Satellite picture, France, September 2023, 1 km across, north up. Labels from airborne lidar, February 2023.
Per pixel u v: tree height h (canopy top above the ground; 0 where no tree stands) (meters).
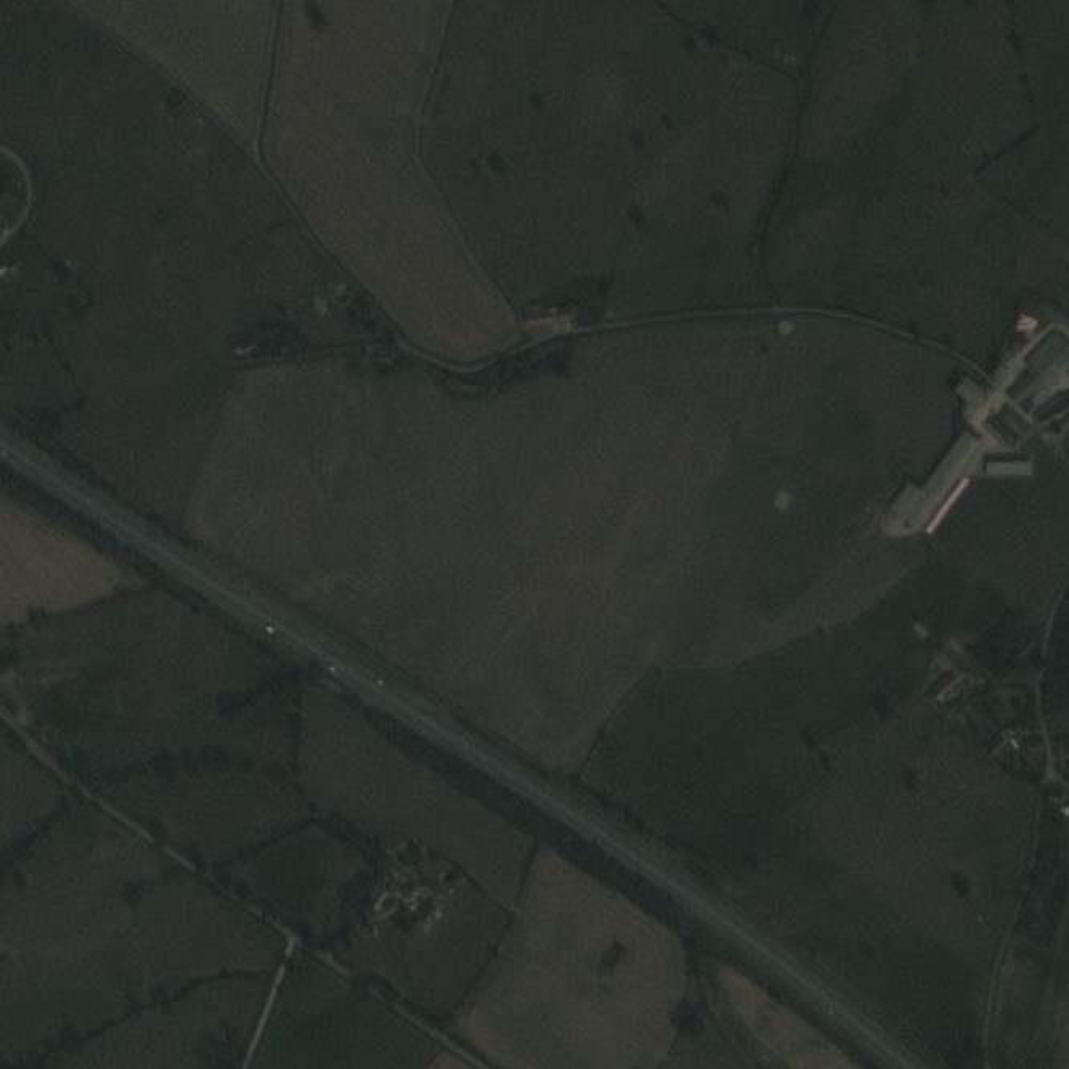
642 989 0
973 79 0
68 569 0
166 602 0
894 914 0
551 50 0
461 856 0
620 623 0
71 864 0
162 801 0
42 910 0
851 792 0
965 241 0
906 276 0
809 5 10
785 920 0
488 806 11
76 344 0
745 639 0
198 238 0
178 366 0
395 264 0
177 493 0
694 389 0
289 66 0
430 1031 0
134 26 0
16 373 0
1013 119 0
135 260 0
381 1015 0
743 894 0
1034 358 0
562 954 0
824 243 0
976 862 0
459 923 0
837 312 0
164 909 0
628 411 0
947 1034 0
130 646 0
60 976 0
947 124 0
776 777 0
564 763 0
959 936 0
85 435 0
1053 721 0
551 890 0
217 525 0
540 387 0
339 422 0
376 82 0
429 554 0
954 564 0
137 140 0
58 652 0
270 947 0
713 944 0
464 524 0
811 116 0
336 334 0
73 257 0
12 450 0
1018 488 0
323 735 0
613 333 0
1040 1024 0
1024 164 0
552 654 0
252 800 0
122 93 0
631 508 0
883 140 0
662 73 0
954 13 0
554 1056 0
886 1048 0
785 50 0
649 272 0
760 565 0
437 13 0
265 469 0
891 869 0
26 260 0
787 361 0
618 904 0
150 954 0
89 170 0
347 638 0
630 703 0
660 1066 0
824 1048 0
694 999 0
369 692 0
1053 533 0
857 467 0
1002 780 0
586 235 0
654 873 0
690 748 0
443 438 0
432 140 0
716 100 0
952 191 0
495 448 0
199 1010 0
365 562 0
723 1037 0
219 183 0
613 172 0
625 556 0
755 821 0
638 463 0
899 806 0
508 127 0
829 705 0
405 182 0
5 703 0
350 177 0
